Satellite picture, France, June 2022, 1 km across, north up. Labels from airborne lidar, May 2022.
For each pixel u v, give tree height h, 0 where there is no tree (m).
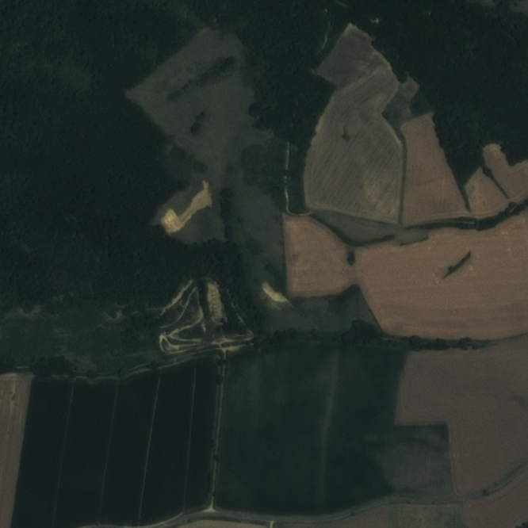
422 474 0
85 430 0
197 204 0
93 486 0
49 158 10
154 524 0
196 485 0
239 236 0
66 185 10
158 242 26
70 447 0
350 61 0
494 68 17
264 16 15
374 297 0
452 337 0
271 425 0
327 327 0
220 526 0
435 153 0
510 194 0
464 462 0
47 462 0
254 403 0
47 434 0
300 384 0
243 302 15
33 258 15
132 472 0
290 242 0
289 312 0
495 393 0
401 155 0
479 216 0
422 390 0
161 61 11
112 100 13
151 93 0
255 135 0
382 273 0
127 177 20
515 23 28
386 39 7
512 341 0
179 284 14
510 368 0
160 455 0
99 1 8
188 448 0
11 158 14
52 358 9
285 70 8
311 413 0
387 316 0
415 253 0
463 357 0
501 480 0
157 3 8
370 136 0
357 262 0
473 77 18
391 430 0
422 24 12
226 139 0
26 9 19
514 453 0
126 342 9
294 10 17
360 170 0
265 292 0
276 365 0
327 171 0
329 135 0
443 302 0
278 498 0
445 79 14
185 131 0
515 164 6
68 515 0
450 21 13
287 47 17
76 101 18
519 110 15
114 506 0
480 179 0
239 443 0
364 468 0
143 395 0
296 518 0
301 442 0
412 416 0
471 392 0
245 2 12
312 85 16
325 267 0
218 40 0
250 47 8
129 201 19
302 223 0
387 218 0
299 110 11
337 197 0
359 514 0
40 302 11
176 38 13
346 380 0
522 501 0
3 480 0
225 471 0
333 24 8
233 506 0
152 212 21
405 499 0
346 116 0
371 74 0
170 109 0
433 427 0
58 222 9
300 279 0
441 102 15
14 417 0
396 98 0
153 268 18
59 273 9
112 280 14
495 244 0
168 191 19
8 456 0
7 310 9
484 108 15
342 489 0
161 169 15
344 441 0
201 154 0
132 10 8
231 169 8
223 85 0
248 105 0
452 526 0
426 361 0
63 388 0
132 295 15
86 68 11
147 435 0
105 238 20
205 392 0
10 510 0
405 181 0
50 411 0
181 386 0
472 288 0
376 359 0
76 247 12
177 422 0
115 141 17
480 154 18
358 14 9
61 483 0
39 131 18
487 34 17
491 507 0
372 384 0
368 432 0
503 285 0
